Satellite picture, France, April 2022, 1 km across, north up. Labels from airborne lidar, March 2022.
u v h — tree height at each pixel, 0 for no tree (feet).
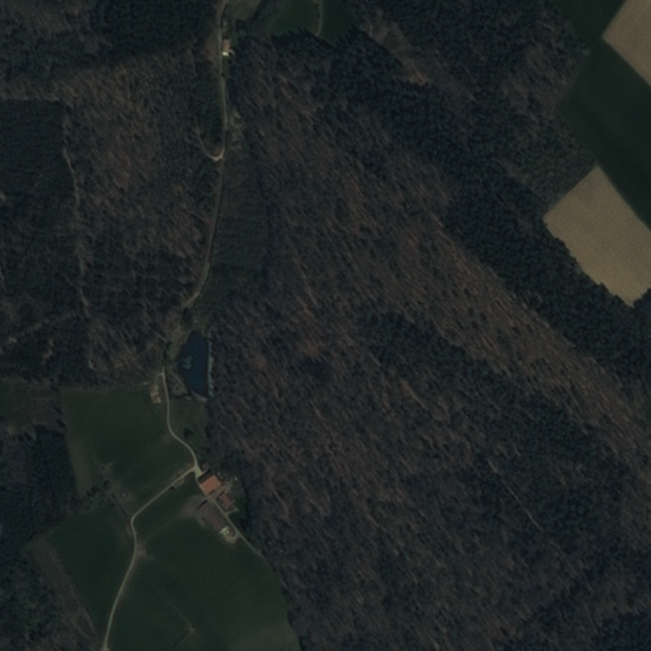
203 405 0
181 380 54
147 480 0
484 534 85
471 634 103
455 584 85
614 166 0
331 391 92
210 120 40
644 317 81
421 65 89
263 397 106
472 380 91
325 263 89
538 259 81
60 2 79
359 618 84
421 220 80
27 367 36
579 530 74
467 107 84
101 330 75
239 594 0
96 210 75
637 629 96
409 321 87
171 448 0
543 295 77
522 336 73
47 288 41
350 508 88
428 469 94
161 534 0
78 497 64
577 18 0
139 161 93
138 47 97
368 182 68
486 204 102
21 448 81
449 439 99
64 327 59
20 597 57
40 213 59
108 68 91
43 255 45
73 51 70
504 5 56
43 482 44
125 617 0
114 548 0
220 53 0
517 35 77
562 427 80
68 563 0
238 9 0
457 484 85
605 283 0
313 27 0
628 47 0
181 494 0
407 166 91
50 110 64
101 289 71
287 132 93
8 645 75
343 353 99
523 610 99
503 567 86
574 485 96
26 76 90
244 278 28
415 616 92
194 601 0
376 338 108
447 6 99
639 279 0
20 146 74
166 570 0
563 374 67
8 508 78
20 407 0
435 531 100
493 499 88
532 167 63
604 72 0
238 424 74
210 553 0
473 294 51
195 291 86
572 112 0
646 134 0
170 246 69
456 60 74
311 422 95
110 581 0
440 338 97
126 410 0
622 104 0
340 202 75
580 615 97
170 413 0
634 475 77
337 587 100
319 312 103
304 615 95
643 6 0
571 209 0
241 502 0
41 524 107
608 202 0
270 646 0
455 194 94
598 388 79
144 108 91
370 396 99
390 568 79
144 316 77
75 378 75
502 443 108
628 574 76
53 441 112
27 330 41
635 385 77
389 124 83
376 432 96
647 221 0
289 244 98
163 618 0
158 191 77
